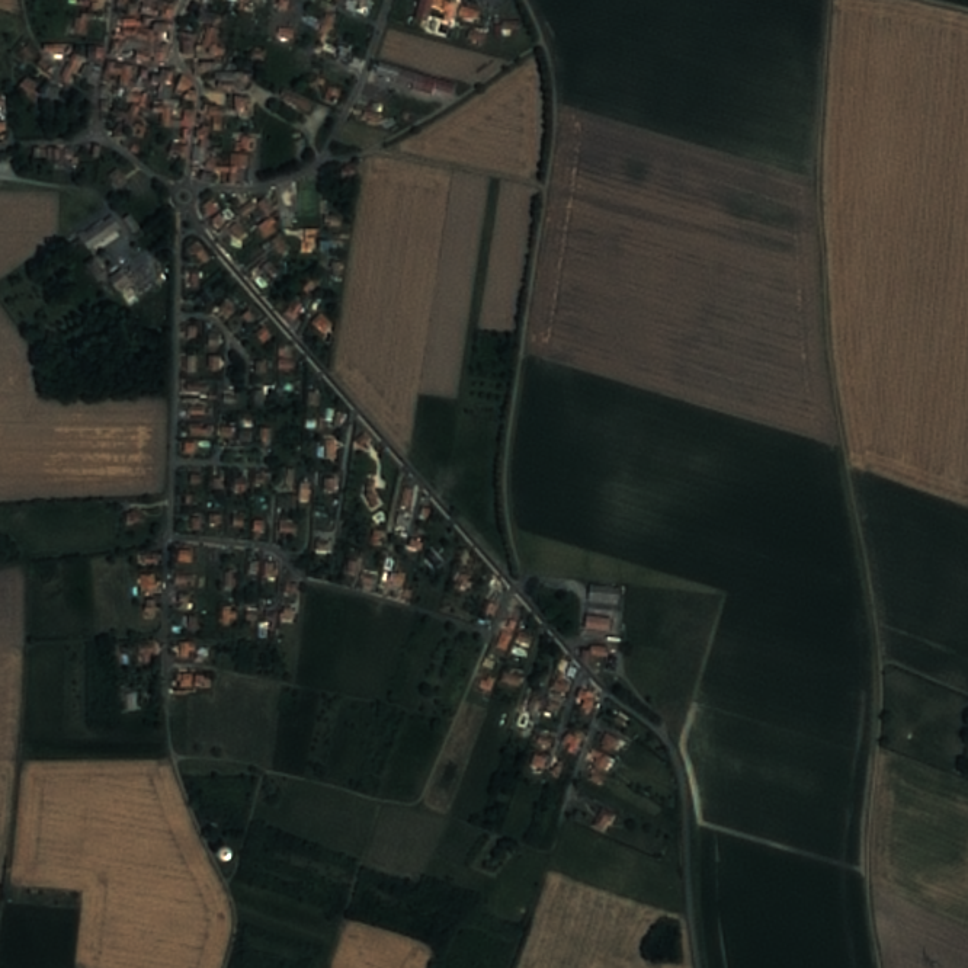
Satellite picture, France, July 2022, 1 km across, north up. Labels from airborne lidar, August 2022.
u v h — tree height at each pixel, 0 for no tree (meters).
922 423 0
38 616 0
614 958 0
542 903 0
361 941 0
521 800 0
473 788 0
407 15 0
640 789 8
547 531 0
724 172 0
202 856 0
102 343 27
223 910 0
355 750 0
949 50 0
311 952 6
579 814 10
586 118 0
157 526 9
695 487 0
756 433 0
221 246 0
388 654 0
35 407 0
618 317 0
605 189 0
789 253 0
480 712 0
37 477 0
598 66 0
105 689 7
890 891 0
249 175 0
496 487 10
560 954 0
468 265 0
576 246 0
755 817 0
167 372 24
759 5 0
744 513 0
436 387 0
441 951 10
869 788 0
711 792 0
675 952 11
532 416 0
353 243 0
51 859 0
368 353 0
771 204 0
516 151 0
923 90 0
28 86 0
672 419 0
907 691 0
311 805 0
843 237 0
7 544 12
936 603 0
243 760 0
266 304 0
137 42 0
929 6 0
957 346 0
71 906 0
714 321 0
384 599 0
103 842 0
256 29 0
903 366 0
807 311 0
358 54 9
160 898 0
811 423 0
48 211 0
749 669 0
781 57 0
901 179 0
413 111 0
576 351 0
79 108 15
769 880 0
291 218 0
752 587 0
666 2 0
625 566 0
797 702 0
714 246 0
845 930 0
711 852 0
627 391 0
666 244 0
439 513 10
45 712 0
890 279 0
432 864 0
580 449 0
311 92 6
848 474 0
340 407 11
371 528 7
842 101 0
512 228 0
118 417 0
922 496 0
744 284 0
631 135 0
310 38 9
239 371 13
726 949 0
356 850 0
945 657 0
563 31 0
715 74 0
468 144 0
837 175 0
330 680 0
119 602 0
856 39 0
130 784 0
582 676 0
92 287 0
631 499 0
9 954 0
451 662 12
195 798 7
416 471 0
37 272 19
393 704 8
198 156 0
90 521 0
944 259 0
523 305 12
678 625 0
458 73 0
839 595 0
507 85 0
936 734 0
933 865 0
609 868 0
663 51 0
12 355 0
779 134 0
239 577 8
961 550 0
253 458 9
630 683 0
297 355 0
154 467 0
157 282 0
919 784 0
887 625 0
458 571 10
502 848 13
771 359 0
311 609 0
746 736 0
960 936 0
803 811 0
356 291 0
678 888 0
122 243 0
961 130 0
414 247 0
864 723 0
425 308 0
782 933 0
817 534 0
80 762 0
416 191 0
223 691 0
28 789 0
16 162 8
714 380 0
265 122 0
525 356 0
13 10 0
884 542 0
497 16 0
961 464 0
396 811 0
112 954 0
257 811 0
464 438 0
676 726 0
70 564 7
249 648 6
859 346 0
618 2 0
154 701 8
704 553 0
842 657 0
